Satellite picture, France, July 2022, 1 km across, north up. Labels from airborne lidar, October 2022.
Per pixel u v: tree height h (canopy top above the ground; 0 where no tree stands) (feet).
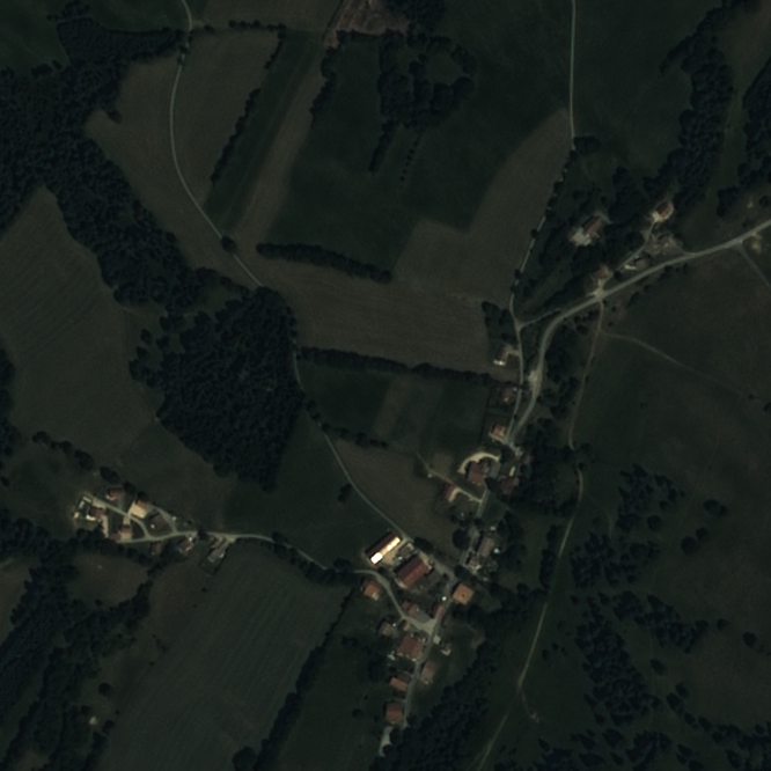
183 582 0
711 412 0
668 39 0
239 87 0
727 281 0
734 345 0
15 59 0
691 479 0
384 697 0
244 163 0
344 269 65
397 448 0
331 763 0
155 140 0
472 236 0
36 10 0
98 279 0
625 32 0
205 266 0
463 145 0
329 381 0
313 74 0
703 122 77
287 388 25
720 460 0
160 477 0
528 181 0
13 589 0
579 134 0
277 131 0
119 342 0
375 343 0
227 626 0
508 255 0
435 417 0
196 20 0
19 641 72
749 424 0
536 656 0
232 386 35
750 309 0
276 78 0
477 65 59
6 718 51
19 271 0
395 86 71
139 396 0
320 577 62
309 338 0
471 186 0
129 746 0
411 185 0
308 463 0
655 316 0
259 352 30
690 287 0
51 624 65
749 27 0
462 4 0
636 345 0
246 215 0
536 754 0
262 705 0
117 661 0
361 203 0
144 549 0
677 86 0
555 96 0
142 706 0
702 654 0
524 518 0
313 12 0
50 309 0
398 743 54
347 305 0
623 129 0
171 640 0
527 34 0
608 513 0
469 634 0
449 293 0
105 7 0
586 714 0
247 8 0
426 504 0
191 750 0
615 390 0
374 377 0
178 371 76
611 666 64
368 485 0
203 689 0
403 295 0
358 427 0
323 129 0
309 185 0
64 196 86
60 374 0
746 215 0
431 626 0
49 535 91
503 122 0
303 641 0
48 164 86
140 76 0
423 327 0
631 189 64
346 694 0
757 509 0
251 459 19
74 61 37
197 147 0
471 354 0
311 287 0
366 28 0
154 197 0
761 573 0
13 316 0
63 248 0
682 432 0
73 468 0
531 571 0
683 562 0
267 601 0
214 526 0
